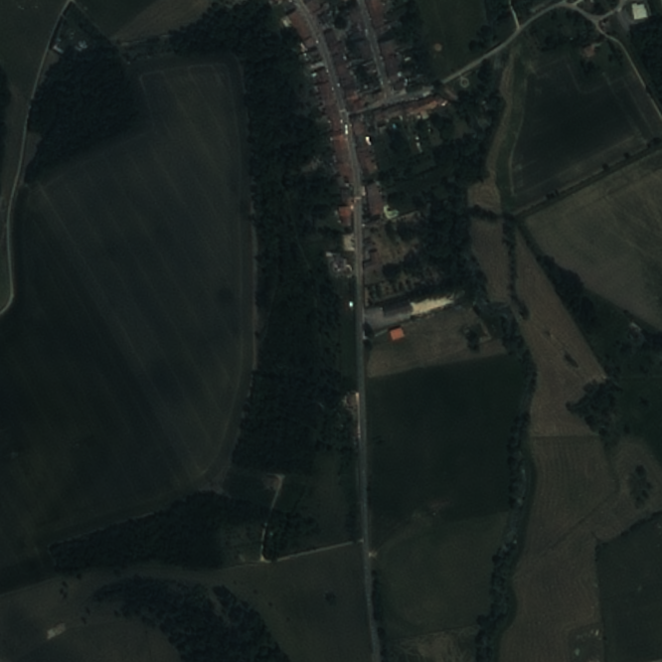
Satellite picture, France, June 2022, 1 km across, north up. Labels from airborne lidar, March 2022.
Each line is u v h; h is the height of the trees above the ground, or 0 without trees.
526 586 0
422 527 0
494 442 0
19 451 0
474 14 0
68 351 0
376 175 0
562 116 0
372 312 0
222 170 0
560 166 0
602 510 0
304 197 24
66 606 0
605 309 0
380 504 0
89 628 0
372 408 0
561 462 0
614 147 0
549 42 11
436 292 20
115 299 0
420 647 0
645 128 0
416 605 0
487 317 0
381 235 0
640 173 0
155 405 0
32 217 0
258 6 7
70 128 21
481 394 0
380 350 0
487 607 0
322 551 0
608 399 17
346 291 0
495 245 0
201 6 0
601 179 0
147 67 0
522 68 0
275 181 25
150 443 0
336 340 0
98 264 0
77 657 0
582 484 0
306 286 0
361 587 0
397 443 0
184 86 0
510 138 0
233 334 0
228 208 0
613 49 28
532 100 0
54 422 0
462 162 25
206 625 19
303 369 0
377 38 0
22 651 0
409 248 0
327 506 0
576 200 0
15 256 0
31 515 0
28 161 0
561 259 0
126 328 0
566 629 0
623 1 0
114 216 0
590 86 0
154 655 0
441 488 0
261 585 0
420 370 0
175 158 0
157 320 0
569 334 0
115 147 0
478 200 0
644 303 0
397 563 0
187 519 9
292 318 0
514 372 0
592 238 0
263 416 13
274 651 23
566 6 0
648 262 0
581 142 0
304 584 0
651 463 0
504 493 0
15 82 0
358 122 0
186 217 0
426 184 0
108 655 0
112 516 0
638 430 0
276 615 0
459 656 0
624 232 0
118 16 0
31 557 0
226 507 12
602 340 0
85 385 0
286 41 20
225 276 0
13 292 0
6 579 0
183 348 0
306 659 0
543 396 0
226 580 0
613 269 0
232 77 0
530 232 0
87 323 0
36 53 0
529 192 0
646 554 0
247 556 0
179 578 0
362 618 0
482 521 0
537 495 0
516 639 0
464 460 0
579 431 0
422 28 18
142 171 0
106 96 23
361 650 0
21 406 0
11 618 0
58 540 0
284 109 20
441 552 0
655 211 0
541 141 0
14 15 0
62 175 0
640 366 0
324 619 0
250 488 0
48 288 0
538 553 0
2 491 0
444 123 17
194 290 0
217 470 0
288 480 0
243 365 0
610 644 0
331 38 0
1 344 0
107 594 14
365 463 0
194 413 0
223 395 0
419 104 0
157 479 0
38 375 0
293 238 0
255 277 0
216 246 0
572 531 0
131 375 0
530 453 0
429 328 0
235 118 0
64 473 0
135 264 0
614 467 0
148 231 0
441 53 0
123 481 0
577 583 0
